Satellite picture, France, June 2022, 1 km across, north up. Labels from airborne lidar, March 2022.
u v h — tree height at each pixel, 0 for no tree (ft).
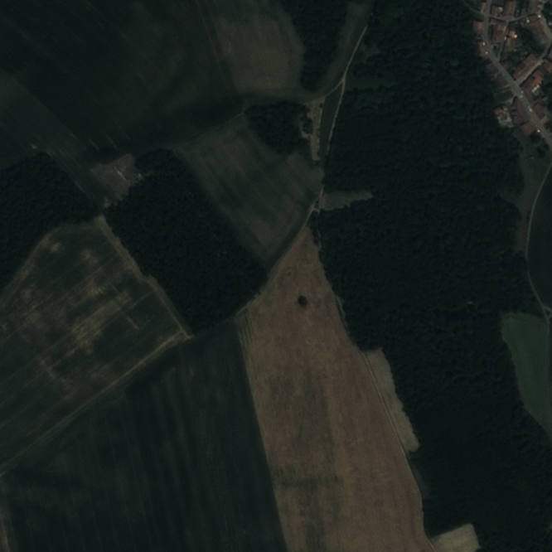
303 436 0
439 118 78
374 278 33
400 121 80
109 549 0
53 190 55
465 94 56
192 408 0
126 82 0
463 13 24
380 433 0
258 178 0
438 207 63
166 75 0
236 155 0
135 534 0
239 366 0
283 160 0
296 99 0
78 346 0
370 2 0
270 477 0
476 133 66
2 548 0
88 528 0
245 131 0
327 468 0
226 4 0
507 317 0
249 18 0
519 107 0
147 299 0
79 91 0
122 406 0
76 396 0
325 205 0
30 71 0
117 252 0
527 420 82
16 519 0
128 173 0
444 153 86
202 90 0
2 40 0
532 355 0
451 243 76
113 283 0
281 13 0
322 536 0
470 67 79
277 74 0
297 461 0
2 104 0
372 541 0
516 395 55
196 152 0
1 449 0
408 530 0
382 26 68
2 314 0
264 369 0
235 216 0
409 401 45
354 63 0
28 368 0
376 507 0
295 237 0
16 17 0
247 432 0
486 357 26
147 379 0
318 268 0
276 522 0
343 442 0
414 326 63
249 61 0
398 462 0
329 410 0
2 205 71
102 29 0
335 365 0
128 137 0
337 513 0
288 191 0
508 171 51
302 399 0
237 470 0
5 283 44
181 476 0
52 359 0
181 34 0
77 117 0
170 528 0
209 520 0
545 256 0
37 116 0
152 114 0
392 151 21
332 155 20
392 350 62
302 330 0
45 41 0
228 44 0
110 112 0
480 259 78
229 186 0
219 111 0
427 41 72
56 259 0
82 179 0
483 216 78
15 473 0
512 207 76
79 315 0
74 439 0
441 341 53
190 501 0
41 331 0
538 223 0
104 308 0
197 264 0
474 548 0
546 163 0
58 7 0
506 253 76
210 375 0
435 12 59
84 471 0
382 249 25
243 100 0
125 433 0
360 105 58
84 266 0
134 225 0
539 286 0
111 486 0
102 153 0
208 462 0
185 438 0
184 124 0
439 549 0
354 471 0
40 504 0
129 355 0
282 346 0
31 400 0
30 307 0
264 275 66
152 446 0
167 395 0
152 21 0
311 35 50
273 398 0
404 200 43
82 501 0
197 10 0
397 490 0
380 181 59
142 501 0
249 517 0
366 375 0
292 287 0
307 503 0
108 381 0
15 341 0
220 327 0
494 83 20
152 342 0
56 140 0
